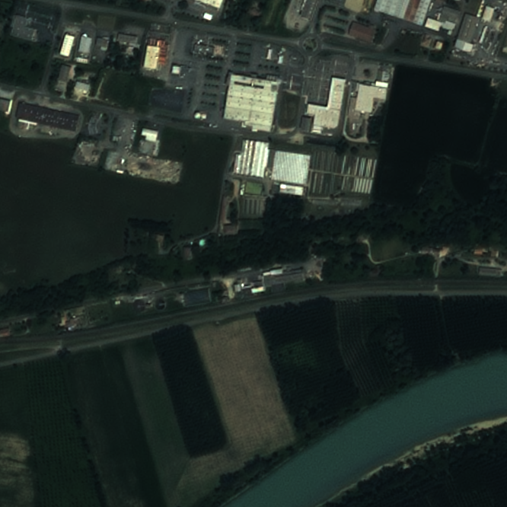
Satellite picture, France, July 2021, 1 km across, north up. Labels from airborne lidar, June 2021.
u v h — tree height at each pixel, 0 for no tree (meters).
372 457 0
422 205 9
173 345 25
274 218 9
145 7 10
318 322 26
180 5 11
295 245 23
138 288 14
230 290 0
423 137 0
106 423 0
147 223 14
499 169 0
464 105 0
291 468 0
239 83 0
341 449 0
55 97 0
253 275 0
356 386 26
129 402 0
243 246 18
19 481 0
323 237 20
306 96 0
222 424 23
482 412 0
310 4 0
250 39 0
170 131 0
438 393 0
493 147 0
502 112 0
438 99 0
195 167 0
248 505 0
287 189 0
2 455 0
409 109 0
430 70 0
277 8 0
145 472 0
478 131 0
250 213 0
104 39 0
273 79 0
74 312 0
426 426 0
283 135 0
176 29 0
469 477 17
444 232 26
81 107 0
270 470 7
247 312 0
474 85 0
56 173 0
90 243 0
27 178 0
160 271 9
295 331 26
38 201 0
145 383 0
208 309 0
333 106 0
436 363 23
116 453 0
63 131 0
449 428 0
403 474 16
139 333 0
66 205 0
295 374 26
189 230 0
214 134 0
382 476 14
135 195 0
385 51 0
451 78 0
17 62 0
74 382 0
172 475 0
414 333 23
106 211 0
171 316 0
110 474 0
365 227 18
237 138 0
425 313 20
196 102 0
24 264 0
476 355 15
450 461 13
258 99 0
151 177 0
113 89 0
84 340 0
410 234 15
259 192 0
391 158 0
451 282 0
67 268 0
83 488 0
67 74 0
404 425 0
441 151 0
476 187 0
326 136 0
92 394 0
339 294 0
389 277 0
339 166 0
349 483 0
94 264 0
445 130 0
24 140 0
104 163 0
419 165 0
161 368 0
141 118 0
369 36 0
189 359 25
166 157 0
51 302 22
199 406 24
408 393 0
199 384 24
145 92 0
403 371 10
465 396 0
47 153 0
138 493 0
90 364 0
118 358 0
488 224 9
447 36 0
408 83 0
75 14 0
